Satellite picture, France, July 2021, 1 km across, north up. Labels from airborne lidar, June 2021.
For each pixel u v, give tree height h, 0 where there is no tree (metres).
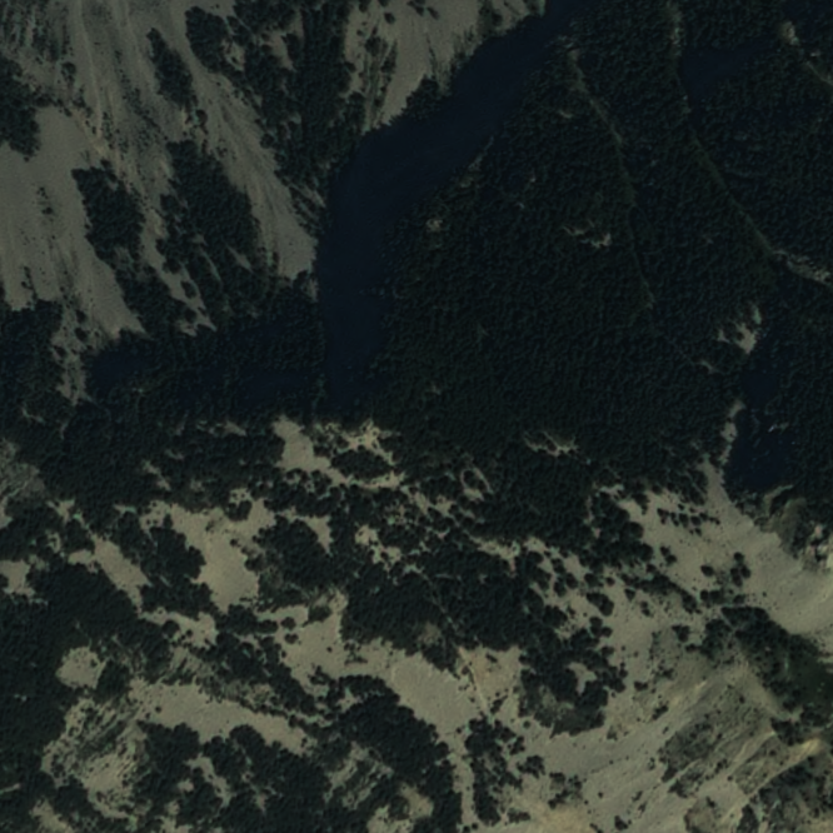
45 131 0
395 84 0
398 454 9
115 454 12
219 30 6
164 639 8
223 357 19
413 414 21
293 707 7
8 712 13
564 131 17
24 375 10
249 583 0
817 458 17
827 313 14
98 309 0
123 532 7
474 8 0
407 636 8
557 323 18
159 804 8
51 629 14
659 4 7
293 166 9
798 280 20
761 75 12
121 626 6
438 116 23
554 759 0
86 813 7
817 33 13
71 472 14
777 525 0
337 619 0
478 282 25
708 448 13
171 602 8
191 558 12
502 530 6
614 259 17
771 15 7
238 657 9
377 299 7
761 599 0
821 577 0
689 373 23
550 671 10
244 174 0
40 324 20
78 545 10
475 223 16
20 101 14
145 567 8
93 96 0
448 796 10
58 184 0
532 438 10
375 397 11
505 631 7
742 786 0
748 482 9
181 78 14
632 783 0
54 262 0
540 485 15
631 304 14
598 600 7
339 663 0
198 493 6
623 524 12
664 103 19
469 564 12
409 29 0
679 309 15
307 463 0
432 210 9
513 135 14
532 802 0
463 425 23
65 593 13
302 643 0
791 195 16
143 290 16
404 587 11
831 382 16
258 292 13
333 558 9
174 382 16
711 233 13
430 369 16
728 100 18
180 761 10
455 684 0
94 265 0
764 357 17
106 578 9
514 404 16
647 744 0
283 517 7
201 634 0
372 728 9
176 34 0
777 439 11
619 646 0
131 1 0
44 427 17
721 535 0
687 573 0
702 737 0
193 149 8
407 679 0
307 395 18
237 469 6
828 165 17
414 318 20
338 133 12
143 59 0
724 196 12
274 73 8
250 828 8
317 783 9
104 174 8
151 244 0
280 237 0
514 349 18
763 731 0
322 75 16
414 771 12
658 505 0
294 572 9
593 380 26
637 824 0
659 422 22
